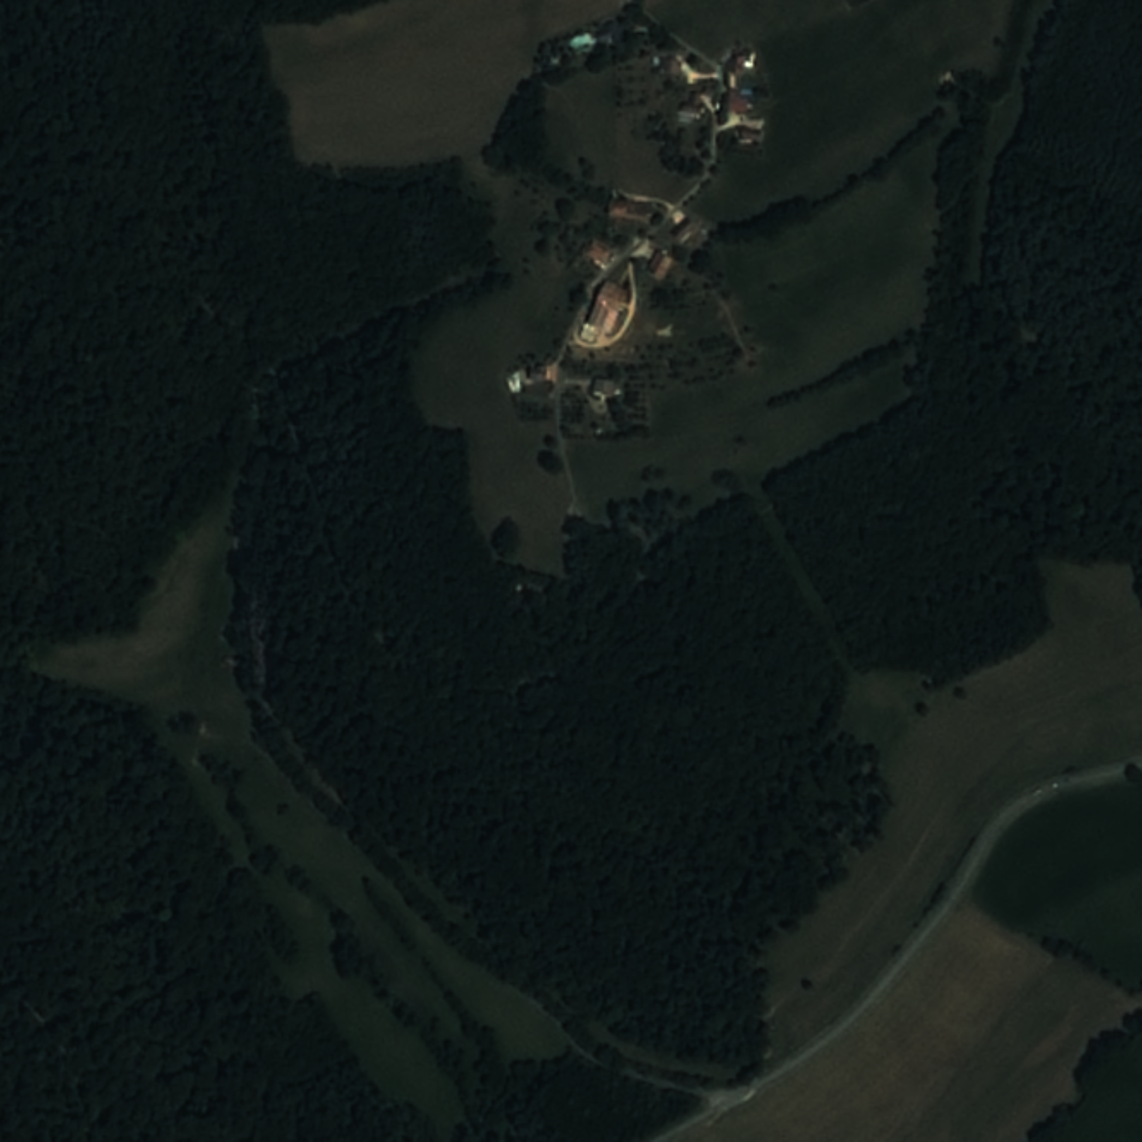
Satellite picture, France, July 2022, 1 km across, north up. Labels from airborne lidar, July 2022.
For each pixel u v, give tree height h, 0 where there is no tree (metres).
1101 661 0
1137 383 19
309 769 13
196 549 0
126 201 25
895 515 26
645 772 20
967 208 10
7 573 30
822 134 0
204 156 32
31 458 25
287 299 25
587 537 20
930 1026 0
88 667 0
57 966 26
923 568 18
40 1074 26
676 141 5
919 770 0
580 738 24
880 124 0
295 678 29
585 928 25
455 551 22
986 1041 0
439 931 19
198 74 29
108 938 20
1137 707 0
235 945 26
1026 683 0
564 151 0
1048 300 24
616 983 22
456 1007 11
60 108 26
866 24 0
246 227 25
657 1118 17
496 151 13
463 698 24
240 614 19
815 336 0
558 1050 0
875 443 21
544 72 9
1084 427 20
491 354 0
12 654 26
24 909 26
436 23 0
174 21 29
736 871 25
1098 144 14
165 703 0
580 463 0
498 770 18
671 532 14
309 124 0
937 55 0
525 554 0
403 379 20
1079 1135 0
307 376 30
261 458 30
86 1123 19
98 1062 21
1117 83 15
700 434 0
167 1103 22
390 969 0
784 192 0
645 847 34
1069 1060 0
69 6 26
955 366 27
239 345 23
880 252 0
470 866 28
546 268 0
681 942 23
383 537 20
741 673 22
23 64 26
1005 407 27
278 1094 27
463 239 20
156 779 36
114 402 29
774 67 0
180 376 27
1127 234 21
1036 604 20
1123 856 0
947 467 32
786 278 0
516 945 29
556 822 20
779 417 0
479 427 0
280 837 0
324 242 24
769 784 30
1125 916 0
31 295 24
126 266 27
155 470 24
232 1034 22
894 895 0
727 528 20
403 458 23
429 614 22
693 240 0
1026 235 27
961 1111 0
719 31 0
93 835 29
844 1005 0
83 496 27
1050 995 0
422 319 16
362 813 22
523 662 21
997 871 0
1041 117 14
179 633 0
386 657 23
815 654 20
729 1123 0
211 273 26
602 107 0
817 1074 0
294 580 27
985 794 0
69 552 22
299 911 0
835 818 30
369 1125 25
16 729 32
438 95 0
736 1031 25
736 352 11
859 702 0
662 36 13
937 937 0
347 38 0
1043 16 0
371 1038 0
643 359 7
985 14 0
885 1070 0
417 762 29
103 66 24
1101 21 11
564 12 0
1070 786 0
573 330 0
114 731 28
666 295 7
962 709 0
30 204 19
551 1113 18
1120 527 27
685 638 22
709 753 21
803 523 21
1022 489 38
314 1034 10
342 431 24
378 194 20
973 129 22
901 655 16
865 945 0
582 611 21
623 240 5
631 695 23
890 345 8
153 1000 17
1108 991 0
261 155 16
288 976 0
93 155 25
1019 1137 0
